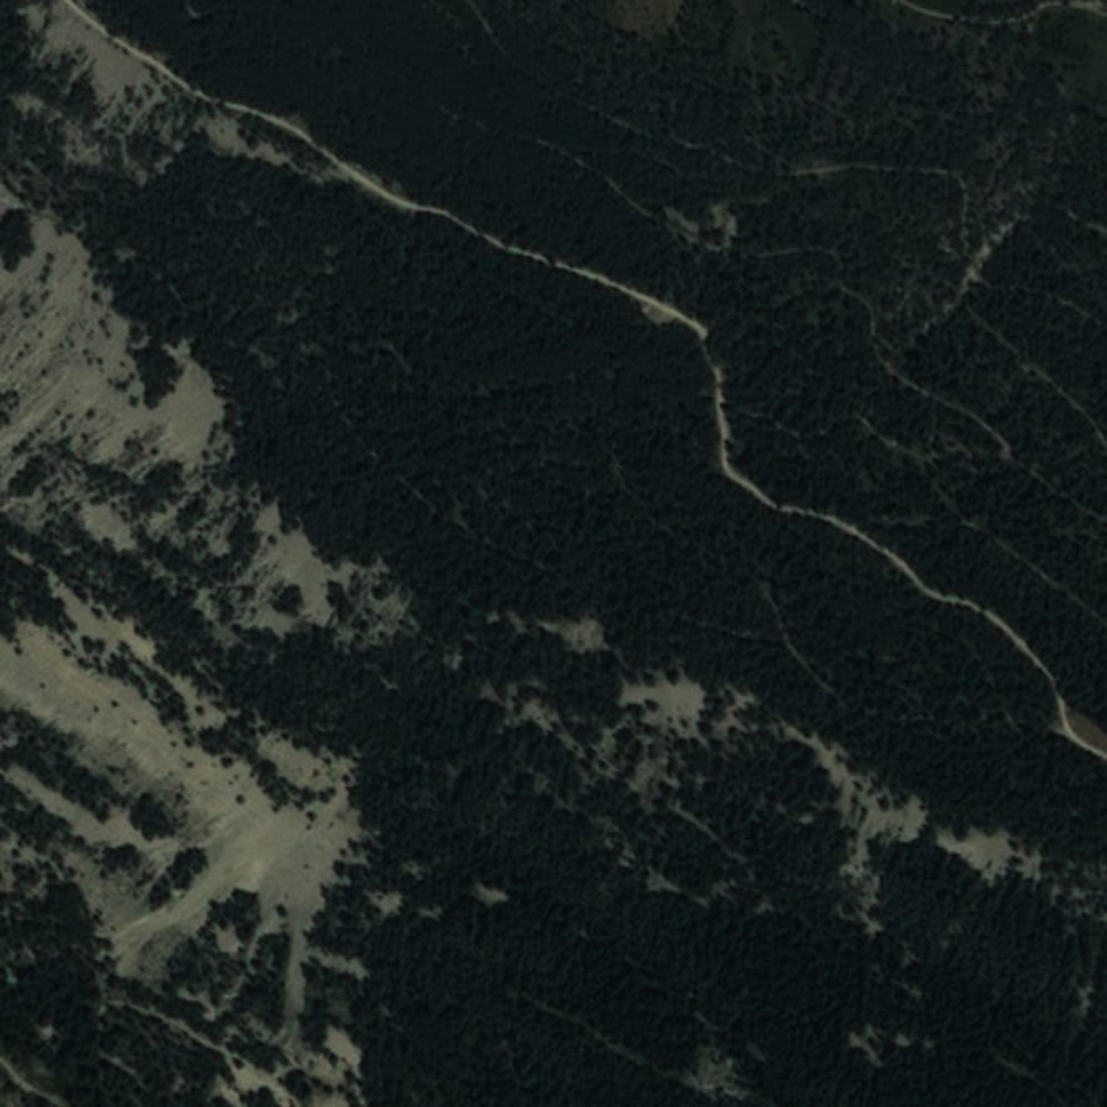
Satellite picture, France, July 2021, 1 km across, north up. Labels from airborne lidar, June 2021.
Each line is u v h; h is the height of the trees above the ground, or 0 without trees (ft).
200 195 31
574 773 61
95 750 0
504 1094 92
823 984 71
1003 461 29
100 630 0
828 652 59
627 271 52
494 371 50
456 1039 86
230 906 32
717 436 32
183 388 0
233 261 41
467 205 51
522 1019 66
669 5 0
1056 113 41
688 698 0
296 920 0
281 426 55
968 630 38
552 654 45
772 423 63
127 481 25
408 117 42
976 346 46
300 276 35
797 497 54
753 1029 53
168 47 35
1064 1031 53
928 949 46
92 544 37
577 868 52
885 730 60
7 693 0
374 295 48
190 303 42
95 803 39
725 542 44
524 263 43
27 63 29
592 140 36
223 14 36
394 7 39
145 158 23
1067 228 43
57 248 0
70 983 57
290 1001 0
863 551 33
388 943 38
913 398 26
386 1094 44
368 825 24
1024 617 48
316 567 0
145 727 0
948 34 42
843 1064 62
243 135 27
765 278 38
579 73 37
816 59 35
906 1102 47
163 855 0
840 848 39
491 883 69
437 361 42
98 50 0
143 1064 34
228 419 23
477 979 41
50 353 0
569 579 59
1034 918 38
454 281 54
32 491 25
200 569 37
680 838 62
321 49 51
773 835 73
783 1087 46
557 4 56
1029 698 46
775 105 51
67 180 27
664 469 56
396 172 34
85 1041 53
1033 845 58
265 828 0
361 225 46
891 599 38
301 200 44
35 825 49
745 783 34
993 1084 55
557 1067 61
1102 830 61
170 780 0
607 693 30
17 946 35
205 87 44
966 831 53
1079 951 35
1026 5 48
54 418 0
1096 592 53
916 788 59
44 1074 0
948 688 58
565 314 44
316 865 0
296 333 38
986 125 28
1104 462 48
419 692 44
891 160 38
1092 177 56
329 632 37
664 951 51
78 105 34
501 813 30
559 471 49
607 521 69
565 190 40
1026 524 52
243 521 41
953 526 30
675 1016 32
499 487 49
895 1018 44
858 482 41
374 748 48
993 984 60
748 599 45
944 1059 60
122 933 0
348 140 34
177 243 28
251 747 36
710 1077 0
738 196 36
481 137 44
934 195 34
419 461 38
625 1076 51
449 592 39
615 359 47
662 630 60
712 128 49
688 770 39
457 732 80
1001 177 31
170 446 0
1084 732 0
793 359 56
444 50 35
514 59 43
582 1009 55
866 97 44
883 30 50
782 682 48
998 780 46
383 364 37
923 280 48
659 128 52
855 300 27
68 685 0
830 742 38
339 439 48
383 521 51
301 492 56
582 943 53
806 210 29
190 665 33
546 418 35
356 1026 27
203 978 30
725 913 82
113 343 0
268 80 35
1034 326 30
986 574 43
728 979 51
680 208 50
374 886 29
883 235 19
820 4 51
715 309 39
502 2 44
